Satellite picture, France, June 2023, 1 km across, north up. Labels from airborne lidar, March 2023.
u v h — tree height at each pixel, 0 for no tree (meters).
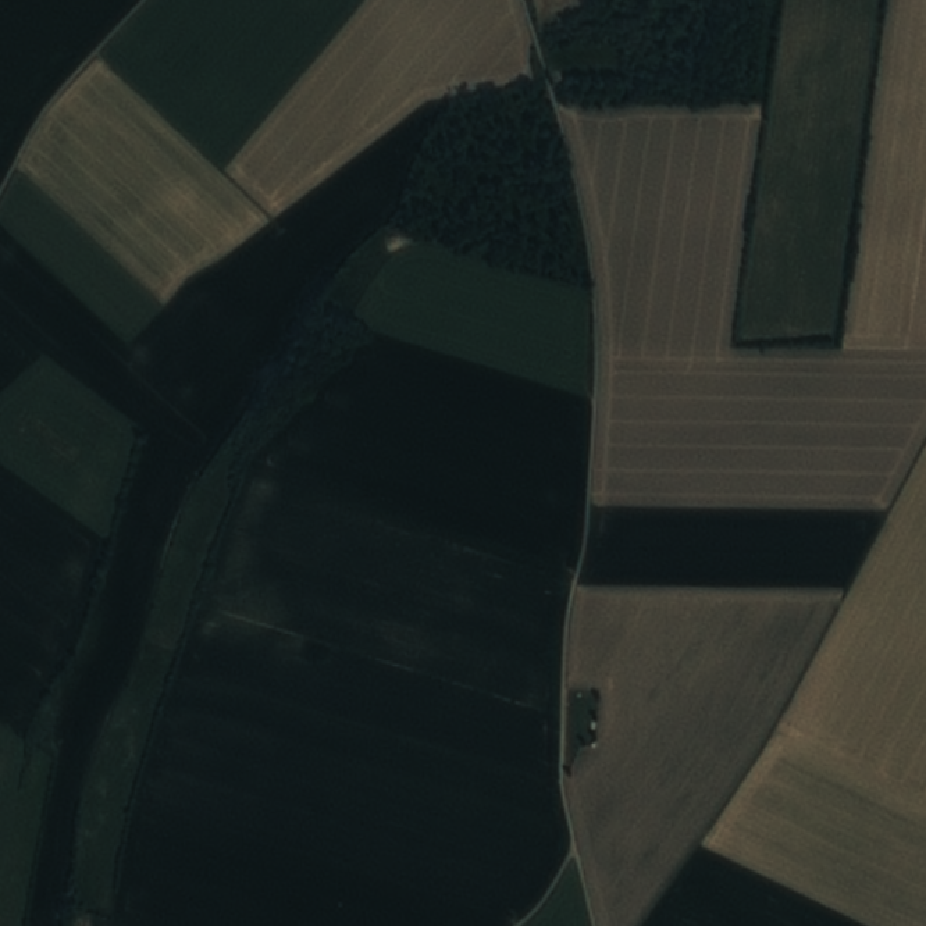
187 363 0
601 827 0
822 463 0
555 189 27
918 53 0
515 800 0
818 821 0
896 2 0
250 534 0
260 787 0
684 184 0
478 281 0
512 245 22
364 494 0
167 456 0
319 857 0
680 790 0
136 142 0
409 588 0
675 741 0
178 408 0
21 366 0
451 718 0
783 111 0
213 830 0
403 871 0
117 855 6
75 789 0
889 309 0
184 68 0
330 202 0
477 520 0
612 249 0
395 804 0
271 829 0
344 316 24
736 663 0
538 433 0
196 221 0
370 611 0
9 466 0
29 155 0
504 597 0
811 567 0
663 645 0
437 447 0
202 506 0
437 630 0
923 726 0
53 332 0
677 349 0
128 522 0
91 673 0
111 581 0
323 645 0
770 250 0
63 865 0
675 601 0
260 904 0
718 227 0
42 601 0
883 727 0
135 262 0
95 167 0
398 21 0
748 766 0
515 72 0
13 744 0
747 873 0
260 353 0
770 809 0
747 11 21
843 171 0
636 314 0
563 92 21
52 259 0
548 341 0
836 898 0
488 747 0
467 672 0
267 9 0
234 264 0
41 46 0
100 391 0
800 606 0
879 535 0
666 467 0
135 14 0
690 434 0
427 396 0
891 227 0
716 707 0
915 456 0
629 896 0
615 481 0
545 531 0
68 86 0
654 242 0
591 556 0
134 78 0
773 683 0
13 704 0
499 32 0
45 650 0
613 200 0
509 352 0
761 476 0
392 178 0
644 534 0
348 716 0
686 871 0
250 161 0
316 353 22
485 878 0
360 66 0
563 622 0
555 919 0
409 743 0
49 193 0
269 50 0
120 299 0
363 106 0
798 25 0
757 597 0
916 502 0
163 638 0
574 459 0
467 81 0
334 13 0
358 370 0
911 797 0
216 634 0
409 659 0
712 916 0
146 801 0
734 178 0
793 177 0
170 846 0
